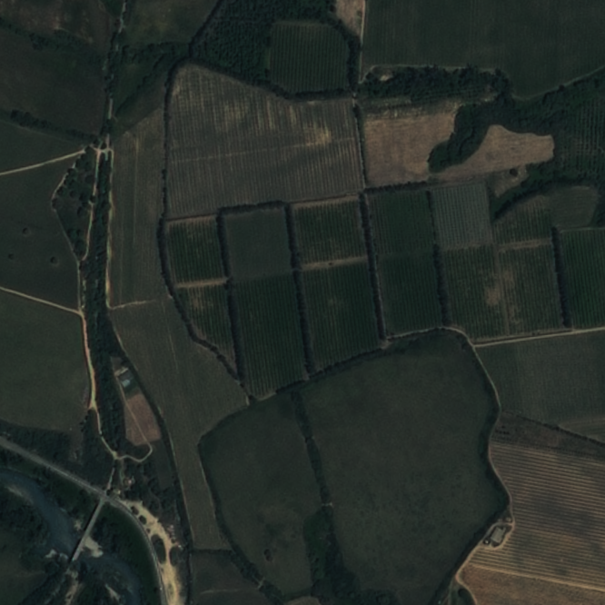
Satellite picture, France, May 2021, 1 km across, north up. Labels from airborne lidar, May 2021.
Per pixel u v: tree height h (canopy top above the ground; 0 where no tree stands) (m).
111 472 8
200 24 0
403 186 14
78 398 0
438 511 0
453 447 0
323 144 0
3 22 19
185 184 0
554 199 0
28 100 0
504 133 0
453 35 0
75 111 0
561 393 0
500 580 0
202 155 0
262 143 0
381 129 0
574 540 0
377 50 0
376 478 0
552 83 0
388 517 0
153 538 0
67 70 0
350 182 0
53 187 0
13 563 0
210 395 0
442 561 0
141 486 12
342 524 0
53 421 0
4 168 0
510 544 0
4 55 0
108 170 12
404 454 0
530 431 0
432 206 6
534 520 0
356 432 0
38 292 0
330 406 0
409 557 0
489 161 0
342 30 19
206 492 0
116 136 0
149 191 0
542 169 8
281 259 0
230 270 19
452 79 29
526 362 0
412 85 30
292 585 0
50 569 15
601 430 0
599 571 0
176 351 0
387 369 0
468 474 0
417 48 0
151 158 0
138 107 0
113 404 9
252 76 13
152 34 0
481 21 0
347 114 0
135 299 0
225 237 23
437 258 19
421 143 0
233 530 0
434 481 0
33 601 18
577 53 0
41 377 0
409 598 0
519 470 0
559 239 18
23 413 0
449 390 0
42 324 0
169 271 14
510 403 0
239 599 0
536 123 8
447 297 20
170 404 0
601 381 0
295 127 0
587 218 0
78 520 26
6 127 0
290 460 0
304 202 0
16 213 0
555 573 0
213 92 0
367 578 0
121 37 10
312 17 12
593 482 0
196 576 0
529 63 0
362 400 0
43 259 0
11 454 22
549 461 0
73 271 0
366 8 0
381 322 18
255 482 0
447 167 7
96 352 12
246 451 0
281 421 0
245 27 6
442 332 12
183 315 16
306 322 20
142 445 0
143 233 0
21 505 6
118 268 0
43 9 0
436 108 0
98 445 12
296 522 0
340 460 0
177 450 0
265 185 0
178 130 0
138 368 0
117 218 0
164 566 0
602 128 7
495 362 0
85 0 0
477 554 0
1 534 0
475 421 0
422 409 0
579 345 0
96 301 14
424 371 0
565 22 0
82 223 0
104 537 28
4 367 0
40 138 0
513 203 12
